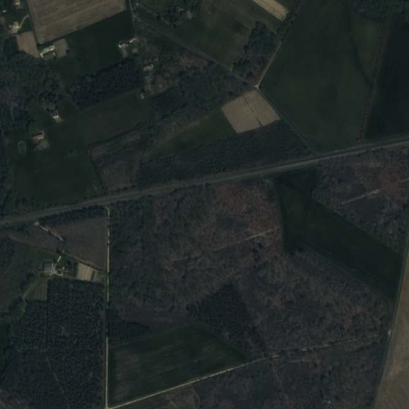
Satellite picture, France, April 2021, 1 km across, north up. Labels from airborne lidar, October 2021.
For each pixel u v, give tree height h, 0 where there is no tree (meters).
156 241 19
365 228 17
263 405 10
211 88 19
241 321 17
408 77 0
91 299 18
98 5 0
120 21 0
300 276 15
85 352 21
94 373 16
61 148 0
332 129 0
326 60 0
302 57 0
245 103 0
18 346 18
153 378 0
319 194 19
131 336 16
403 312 0
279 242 9
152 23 0
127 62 14
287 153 7
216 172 7
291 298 12
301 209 0
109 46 0
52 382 24
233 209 6
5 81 16
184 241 18
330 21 0
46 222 17
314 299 11
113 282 11
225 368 0
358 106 0
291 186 0
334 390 9
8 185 20
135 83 16
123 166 13
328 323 11
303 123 0
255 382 6
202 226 17
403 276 0
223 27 0
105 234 22
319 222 0
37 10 0
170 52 12
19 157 0
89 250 23
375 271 0
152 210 14
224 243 12
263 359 14
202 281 19
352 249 0
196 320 8
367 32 0
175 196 13
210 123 0
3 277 14
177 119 21
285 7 0
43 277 0
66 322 19
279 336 7
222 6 0
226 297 17
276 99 0
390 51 0
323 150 0
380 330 16
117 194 15
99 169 8
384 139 0
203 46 0
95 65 0
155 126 13
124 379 0
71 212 0
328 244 0
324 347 16
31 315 15
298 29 0
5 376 15
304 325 6
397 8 9
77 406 19
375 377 14
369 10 12
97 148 14
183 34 0
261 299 7
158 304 19
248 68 21
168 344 0
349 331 13
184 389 0
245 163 7
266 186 11
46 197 0
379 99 0
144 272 14
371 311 14
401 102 0
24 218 0
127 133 7
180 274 9
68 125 0
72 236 17
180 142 0
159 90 16
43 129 0
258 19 0
